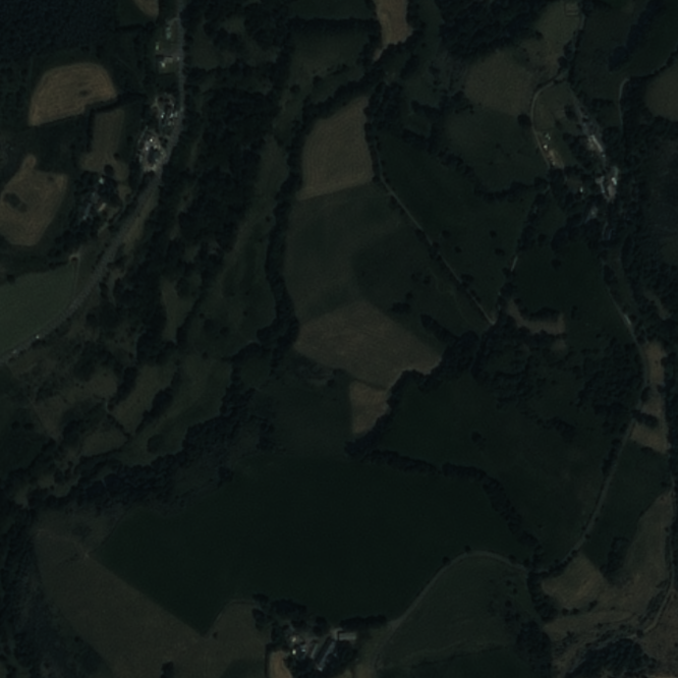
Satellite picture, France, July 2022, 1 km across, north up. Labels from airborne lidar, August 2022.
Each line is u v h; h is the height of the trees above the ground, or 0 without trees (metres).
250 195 22
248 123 31
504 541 0
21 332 0
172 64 0
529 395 7
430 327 22
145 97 14
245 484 0
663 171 0
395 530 0
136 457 0
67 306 0
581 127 8
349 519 0
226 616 0
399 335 0
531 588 17
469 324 0
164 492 11
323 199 0
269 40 5
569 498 0
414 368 0
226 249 19
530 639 16
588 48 0
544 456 0
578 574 0
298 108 0
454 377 21
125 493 8
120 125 0
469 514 0
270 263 14
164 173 11
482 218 0
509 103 0
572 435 17
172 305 0
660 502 0
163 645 0
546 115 0
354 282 0
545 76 0
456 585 0
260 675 0
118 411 0
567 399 0
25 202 0
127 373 16
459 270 0
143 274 21
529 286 0
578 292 0
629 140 20
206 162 11
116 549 0
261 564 0
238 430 11
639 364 10
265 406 0
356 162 0
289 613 23
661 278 9
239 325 0
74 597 0
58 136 0
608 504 0
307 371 0
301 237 0
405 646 0
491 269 0
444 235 10
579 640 0
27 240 0
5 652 9
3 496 22
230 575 0
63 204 0
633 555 0
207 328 6
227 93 19
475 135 0
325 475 0
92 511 0
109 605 0
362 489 0
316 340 0
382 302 0
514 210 0
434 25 0
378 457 15
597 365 7
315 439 0
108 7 19
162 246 21
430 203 0
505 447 0
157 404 21
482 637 0
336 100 10
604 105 13
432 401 0
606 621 0
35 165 0
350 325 0
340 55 0
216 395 0
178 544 0
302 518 0
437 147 19
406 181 0
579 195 8
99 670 0
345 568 0
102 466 14
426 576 0
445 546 0
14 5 23
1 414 0
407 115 0
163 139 7
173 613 0
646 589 0
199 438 16
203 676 0
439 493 0
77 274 0
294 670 11
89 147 7
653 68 0
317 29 19
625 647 10
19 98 17
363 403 0
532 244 15
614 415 21
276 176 0
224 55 0
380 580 0
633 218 17
